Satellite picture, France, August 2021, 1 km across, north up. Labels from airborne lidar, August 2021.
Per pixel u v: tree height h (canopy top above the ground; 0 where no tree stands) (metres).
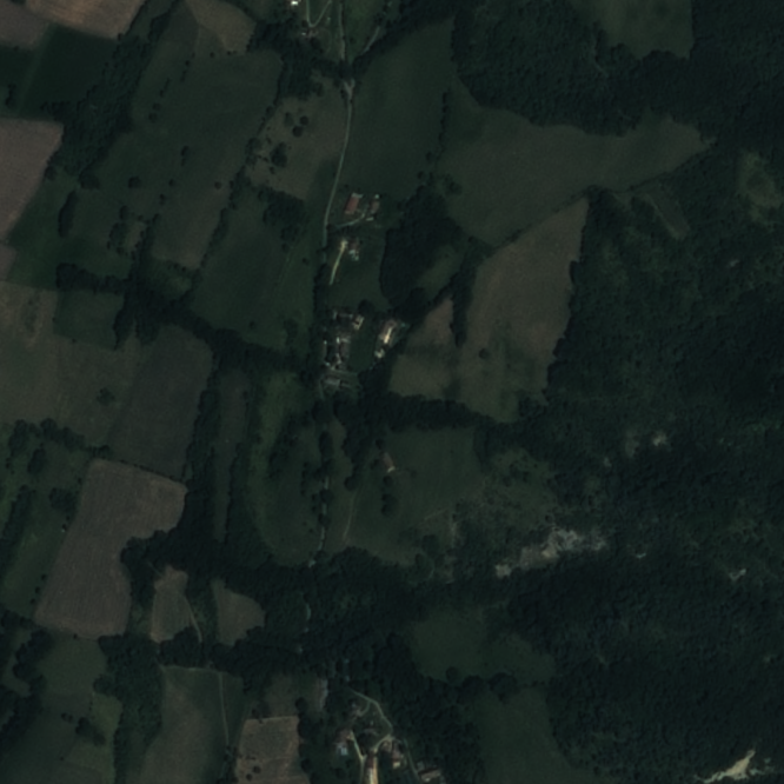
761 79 8
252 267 0
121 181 0
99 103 14
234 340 18
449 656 0
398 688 19
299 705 13
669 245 15
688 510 12
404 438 0
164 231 0
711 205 9
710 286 16
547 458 13
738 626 10
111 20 0
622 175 0
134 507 0
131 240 0
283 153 14
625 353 5
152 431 0
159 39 11
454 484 0
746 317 11
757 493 12
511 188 0
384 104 0
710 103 16
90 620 0
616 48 9
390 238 11
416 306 15
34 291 0
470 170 0
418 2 19
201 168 0
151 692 7
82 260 0
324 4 0
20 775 0
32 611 0
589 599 16
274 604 11
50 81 0
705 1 15
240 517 12
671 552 17
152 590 16
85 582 0
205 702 0
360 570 16
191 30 0
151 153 0
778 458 13
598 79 9
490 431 15
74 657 0
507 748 0
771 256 8
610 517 12
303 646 19
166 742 0
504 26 16
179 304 15
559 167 0
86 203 0
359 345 0
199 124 0
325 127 0
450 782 11
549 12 13
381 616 24
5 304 0
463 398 0
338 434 0
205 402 16
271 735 0
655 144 0
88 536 0
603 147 0
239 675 19
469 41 7
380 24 11
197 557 23
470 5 13
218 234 13
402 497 0
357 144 0
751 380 16
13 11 0
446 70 0
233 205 8
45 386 0
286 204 18
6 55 0
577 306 16
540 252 0
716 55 15
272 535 0
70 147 9
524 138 0
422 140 0
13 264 0
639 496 17
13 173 0
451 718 15
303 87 6
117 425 0
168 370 0
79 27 0
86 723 14
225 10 0
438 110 0
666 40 0
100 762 0
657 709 22
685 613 12
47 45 0
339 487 0
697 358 18
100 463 0
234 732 0
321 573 19
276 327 0
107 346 0
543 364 0
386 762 14
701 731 19
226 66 0
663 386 8
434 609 14
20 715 20
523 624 9
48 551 0
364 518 0
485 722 0
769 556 14
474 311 0
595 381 10
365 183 0
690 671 21
